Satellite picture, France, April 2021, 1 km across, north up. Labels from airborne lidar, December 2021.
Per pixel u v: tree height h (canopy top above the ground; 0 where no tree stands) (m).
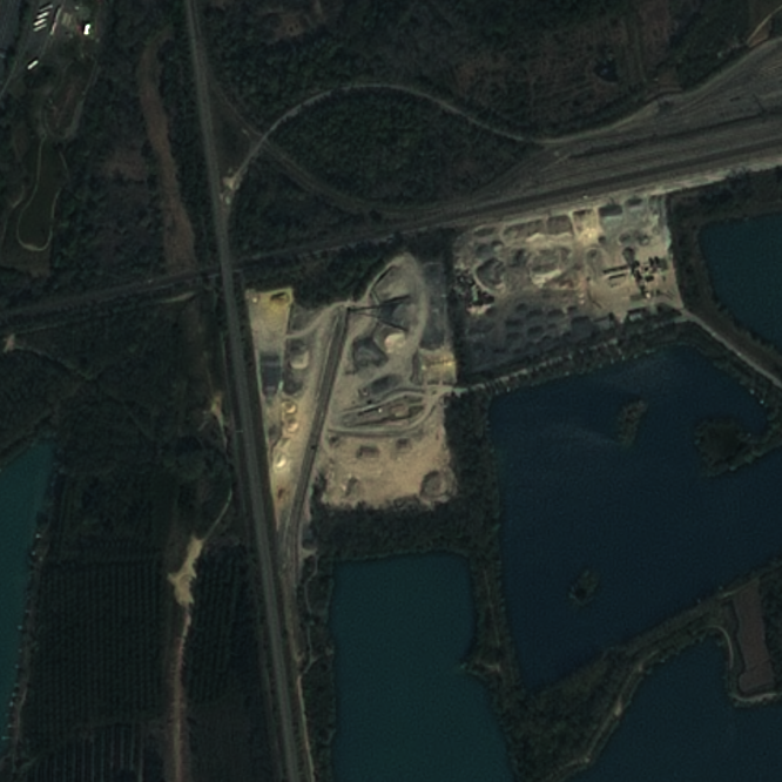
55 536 5
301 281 9
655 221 0
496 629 23
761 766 0
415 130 20
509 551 0
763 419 0
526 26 22
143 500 19
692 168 0
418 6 29
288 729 0
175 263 0
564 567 0
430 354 0
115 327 16
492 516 7
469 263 0
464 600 0
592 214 0
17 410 28
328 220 6
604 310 0
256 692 11
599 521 0
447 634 0
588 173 0
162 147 0
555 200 0
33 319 7
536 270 0
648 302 0
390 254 18
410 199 13
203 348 0
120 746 8
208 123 0
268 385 0
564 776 14
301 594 9
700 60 8
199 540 0
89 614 14
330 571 9
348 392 0
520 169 0
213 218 7
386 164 18
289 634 10
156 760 12
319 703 6
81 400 6
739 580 6
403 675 0
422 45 30
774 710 0
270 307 0
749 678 0
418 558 0
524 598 0
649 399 0
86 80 0
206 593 22
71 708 7
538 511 0
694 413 0
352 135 17
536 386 0
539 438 0
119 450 21
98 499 19
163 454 15
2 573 0
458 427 16
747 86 0
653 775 0
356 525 23
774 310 0
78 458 14
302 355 0
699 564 0
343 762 0
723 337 0
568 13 21
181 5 8
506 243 0
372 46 26
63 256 17
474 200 0
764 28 0
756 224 0
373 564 0
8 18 0
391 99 19
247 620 16
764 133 0
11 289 7
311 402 0
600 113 11
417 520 21
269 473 0
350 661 0
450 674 0
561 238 0
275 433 0
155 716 6
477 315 0
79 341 14
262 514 0
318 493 14
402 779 0
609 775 0
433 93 19
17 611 0
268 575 0
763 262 0
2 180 13
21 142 0
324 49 23
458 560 0
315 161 20
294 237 13
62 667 13
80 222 21
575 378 0
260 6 6
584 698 7
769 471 0
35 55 0
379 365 0
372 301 0
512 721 16
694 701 0
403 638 0
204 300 0
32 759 13
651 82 0
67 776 8
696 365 0
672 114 0
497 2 8
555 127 14
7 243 0
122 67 23
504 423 0
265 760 9
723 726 0
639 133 0
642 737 0
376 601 0
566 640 0
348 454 0
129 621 13
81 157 16
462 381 14
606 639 0
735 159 0
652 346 11
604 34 7
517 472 0
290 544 0
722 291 0
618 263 0
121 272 6
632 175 0
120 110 19
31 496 0
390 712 0
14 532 0
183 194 16
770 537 0
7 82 0
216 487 8
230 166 0
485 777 0
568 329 0
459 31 32
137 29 21
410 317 0
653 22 0
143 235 0
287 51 22
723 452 0
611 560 0
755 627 0
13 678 0
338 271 15
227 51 16
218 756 6
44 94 0
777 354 0
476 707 0
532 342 0
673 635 16
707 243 0
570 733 8
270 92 17
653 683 0
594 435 0
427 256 10
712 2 21
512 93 11
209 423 0
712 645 0
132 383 17
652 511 0
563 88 9
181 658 0
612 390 0
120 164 0
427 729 0
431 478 0
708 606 23
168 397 14
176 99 7
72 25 0
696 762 0
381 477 0
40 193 0
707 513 0
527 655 0
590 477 0
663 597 0
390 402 0
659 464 0
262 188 17
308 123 23
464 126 16
